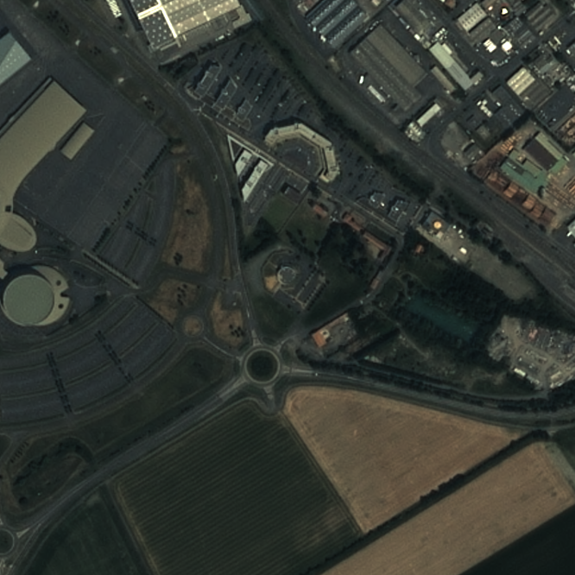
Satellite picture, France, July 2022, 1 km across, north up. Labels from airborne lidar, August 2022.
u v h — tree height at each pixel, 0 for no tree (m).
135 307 0
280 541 0
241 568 0
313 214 0
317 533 0
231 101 0
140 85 0
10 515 0
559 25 0
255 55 0
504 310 16
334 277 0
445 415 0
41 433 0
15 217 0
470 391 0
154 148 0
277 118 0
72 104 0
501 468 0
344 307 0
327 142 0
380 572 0
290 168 0
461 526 0
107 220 0
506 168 0
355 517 0
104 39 0
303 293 0
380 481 0
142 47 0
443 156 0
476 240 23
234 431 0
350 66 0
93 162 0
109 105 0
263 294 0
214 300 0
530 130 0
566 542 0
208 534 0
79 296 0
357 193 0
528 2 15
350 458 0
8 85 0
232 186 0
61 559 0
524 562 0
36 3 0
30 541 0
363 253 18
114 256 0
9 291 0
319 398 0
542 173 0
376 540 0
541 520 0
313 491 0
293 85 0
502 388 0
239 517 0
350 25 0
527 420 0
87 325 0
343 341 0
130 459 0
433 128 0
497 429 0
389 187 0
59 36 0
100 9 0
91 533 0
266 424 0
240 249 7
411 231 16
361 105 0
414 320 11
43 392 0
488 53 0
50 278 0
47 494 0
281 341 0
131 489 0
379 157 9
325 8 0
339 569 0
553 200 0
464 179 0
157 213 0
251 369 0
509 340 0
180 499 0
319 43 0
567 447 0
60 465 0
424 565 0
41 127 0
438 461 0
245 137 0
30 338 0
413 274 0
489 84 0
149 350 0
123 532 0
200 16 0
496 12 0
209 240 0
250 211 0
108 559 0
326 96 0
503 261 19
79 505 0
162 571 0
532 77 0
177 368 0
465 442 0
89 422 0
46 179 0
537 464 0
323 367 16
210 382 0
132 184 0
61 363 0
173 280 0
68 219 0
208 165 0
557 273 0
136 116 0
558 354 0
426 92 0
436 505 0
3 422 0
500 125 0
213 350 0
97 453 0
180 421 0
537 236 0
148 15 0
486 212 0
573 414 0
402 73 0
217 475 0
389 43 0
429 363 0
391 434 0
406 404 0
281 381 0
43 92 0
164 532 0
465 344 11
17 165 0
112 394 0
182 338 0
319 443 0
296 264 0
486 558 0
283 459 0
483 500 0
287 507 0
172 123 0
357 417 0
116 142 0
